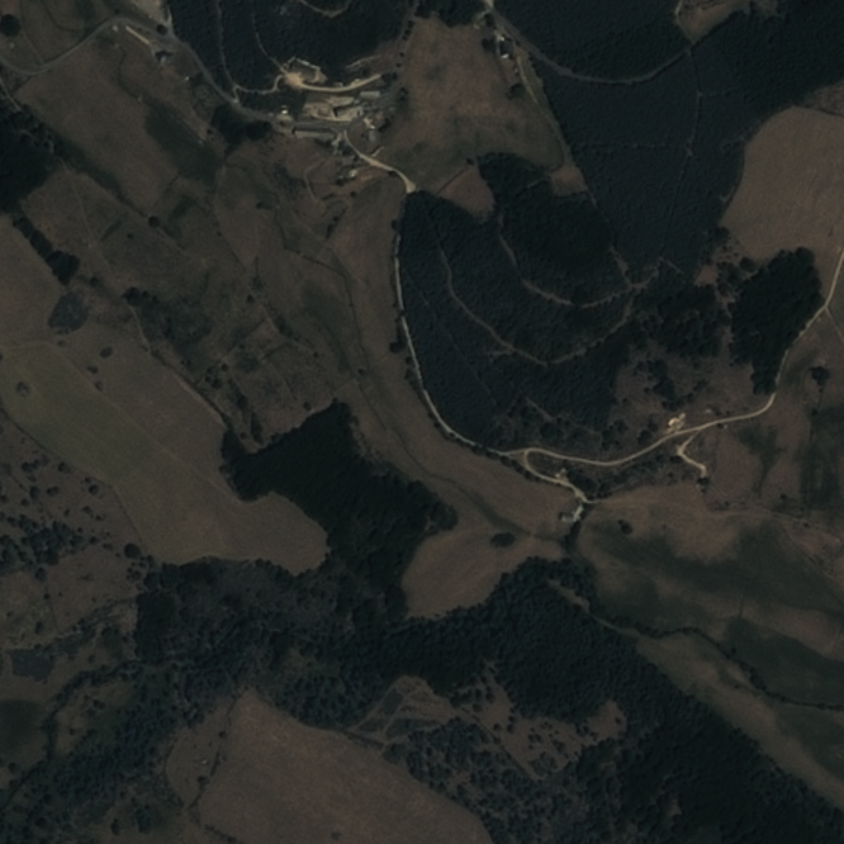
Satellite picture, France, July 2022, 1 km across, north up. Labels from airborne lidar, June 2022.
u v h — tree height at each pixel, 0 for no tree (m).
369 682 14
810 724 0
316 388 0
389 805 0
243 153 0
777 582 0
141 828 10
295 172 0
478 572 0
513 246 10
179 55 0
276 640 19
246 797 0
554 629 20
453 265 8
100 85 0
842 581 0
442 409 9
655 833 11
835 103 0
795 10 16
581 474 7
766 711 0
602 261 9
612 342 10
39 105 0
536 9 8
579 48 12
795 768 0
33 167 18
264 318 0
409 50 0
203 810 0
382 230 0
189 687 9
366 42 9
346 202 0
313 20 8
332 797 0
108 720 0
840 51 18
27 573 0
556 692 16
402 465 0
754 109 11
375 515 15
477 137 0
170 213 0
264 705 0
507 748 0
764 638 0
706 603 0
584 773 14
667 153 11
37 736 0
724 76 12
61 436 0
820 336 0
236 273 0
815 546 0
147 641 17
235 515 0
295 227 0
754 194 0
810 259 23
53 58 0
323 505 20
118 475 0
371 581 14
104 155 0
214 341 0
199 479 0
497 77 0
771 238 0
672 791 14
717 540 0
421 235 16
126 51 0
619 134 12
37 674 0
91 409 0
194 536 0
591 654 16
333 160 0
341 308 0
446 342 11
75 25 0
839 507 0
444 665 21
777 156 0
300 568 0
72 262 21
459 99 0
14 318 0
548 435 19
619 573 0
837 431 0
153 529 0
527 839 8
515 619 12
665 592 0
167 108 0
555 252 15
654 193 11
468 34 0
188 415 0
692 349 18
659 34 14
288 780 0
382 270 0
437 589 0
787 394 0
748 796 19
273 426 0
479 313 7
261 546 0
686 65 11
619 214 13
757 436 0
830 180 0
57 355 0
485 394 11
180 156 0
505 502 0
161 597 13
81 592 0
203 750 0
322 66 8
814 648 0
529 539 0
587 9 11
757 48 18
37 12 0
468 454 0
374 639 10
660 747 17
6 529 0
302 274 0
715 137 10
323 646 11
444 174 0
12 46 0
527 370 7
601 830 11
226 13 8
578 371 8
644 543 0
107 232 0
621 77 16
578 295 11
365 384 0
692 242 12
